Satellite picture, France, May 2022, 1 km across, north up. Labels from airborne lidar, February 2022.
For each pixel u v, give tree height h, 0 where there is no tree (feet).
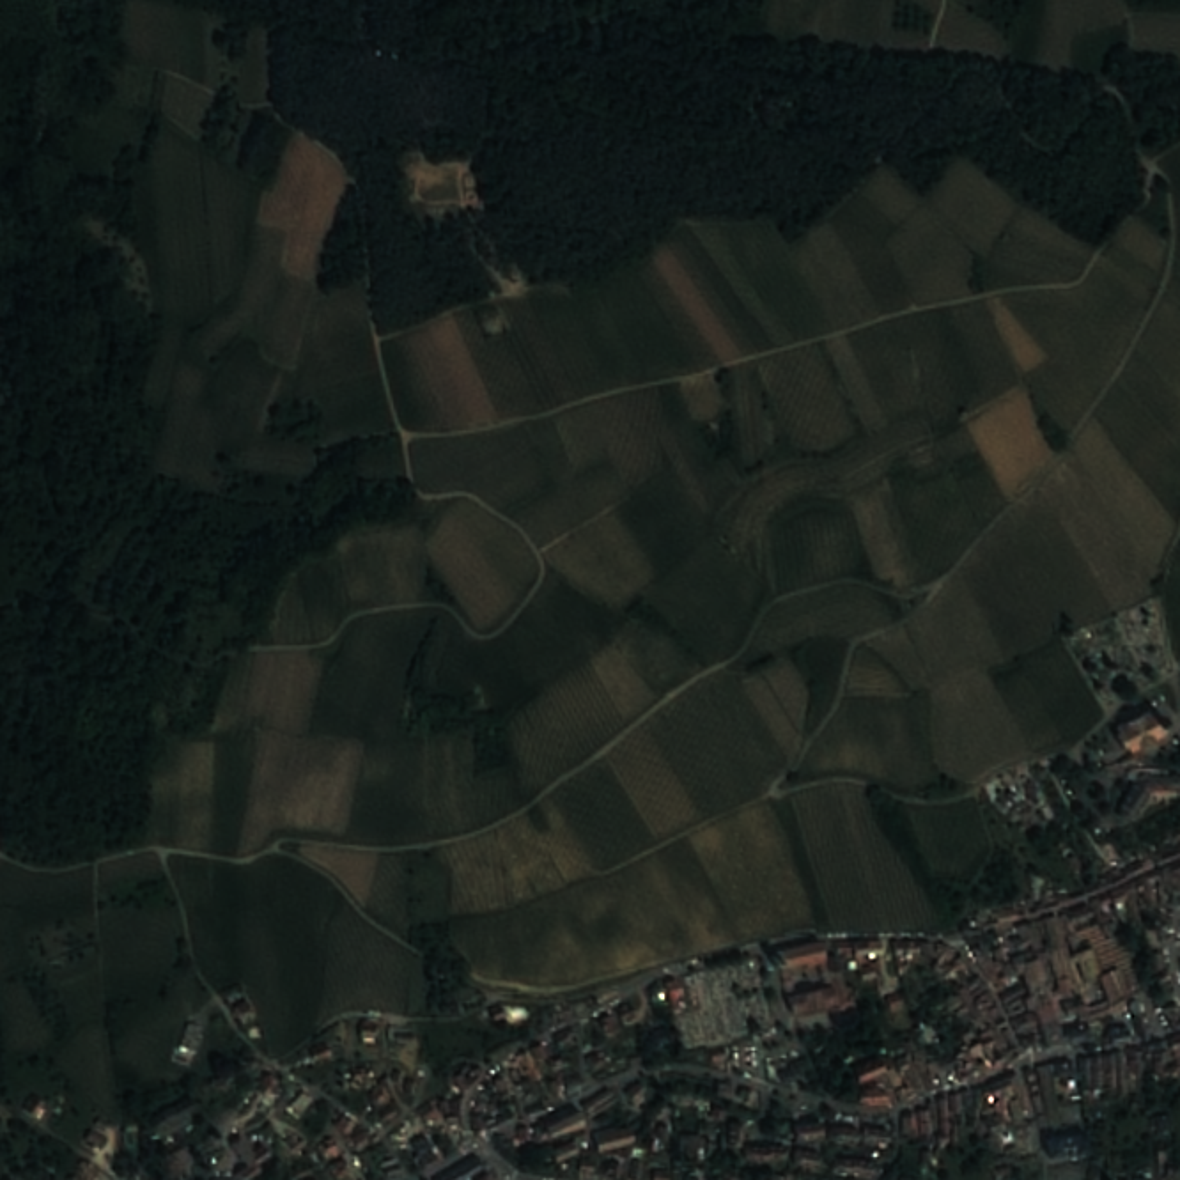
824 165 44
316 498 36
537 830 0
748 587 0
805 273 0
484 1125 0
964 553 0
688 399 0
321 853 0
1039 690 0
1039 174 43
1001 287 0
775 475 0
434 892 0
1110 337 0
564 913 0
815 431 0
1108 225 55
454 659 0
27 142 32
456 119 77
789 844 0
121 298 66
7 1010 0
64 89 50
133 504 18
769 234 0
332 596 0
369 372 0
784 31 0
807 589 0
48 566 25
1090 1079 0
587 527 0
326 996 0
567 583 0
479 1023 0
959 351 0
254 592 34
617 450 0
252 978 0
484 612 0
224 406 0
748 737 0
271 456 0
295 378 0
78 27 75
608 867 0
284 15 70
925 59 54
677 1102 0
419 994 0
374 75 79
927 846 0
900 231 0
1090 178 54
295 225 0
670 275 0
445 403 0
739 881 0
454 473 0
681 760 0
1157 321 0
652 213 49
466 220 50
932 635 0
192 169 0
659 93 62
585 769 0
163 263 0
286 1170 39
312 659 0
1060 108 70
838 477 0
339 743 0
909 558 0
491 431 0
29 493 28
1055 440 41
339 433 0
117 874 0
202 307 0
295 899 0
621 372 0
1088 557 0
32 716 43
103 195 50
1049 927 0
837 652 0
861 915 0
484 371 0
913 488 0
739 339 0
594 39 53
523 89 53
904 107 71
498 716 23
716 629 0
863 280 0
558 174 60
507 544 0
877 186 0
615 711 0
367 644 0
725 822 0
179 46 0
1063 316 0
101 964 0
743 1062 0
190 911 0
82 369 46
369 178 52
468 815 0
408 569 0
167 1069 0
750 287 0
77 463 40
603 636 0
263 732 0
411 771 0
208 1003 0
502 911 0
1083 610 0
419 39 70
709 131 60
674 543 0
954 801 0
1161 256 0
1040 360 0
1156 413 0
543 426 0
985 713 0
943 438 0
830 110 66
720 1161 49
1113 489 0
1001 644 0
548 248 42
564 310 0
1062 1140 0
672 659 0
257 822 0
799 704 0
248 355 0
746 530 0
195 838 0
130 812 27
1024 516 0
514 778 0
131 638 36
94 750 28
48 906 0
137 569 30
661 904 0
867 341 0
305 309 0
